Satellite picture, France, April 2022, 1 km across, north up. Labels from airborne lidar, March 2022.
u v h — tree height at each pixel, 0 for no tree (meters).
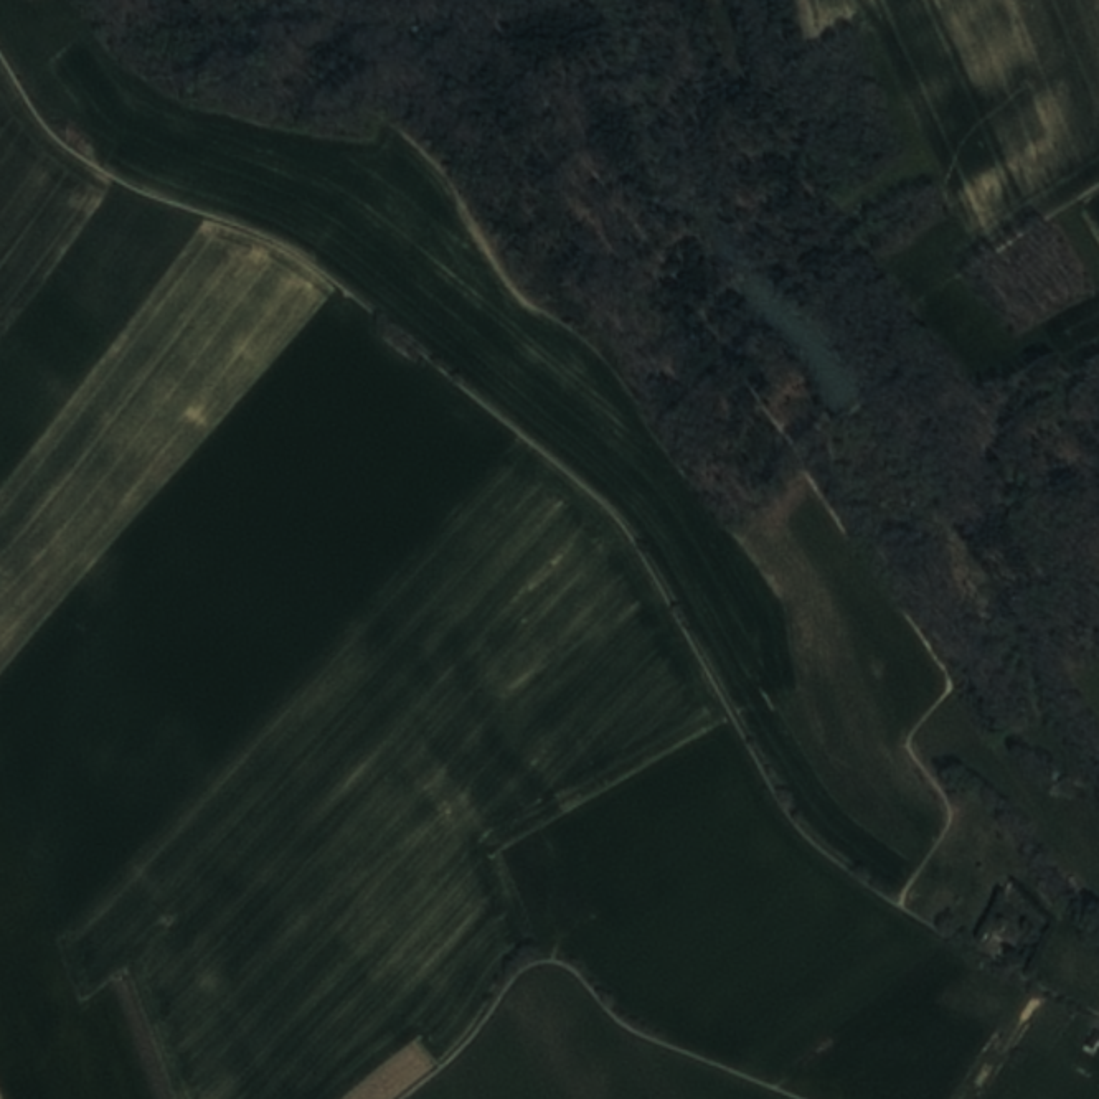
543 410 0
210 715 0
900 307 27
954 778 25
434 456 0
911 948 0
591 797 0
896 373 23
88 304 0
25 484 0
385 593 0
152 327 0
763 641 0
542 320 0
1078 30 0
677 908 0
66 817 0
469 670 0
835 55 23
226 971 0
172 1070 0
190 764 0
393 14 29
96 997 0
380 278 0
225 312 0
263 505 0
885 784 0
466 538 0
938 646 20
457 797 0
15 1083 0
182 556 0
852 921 0
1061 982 0
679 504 0
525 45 24
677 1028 0
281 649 0
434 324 0
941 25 0
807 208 21
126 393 0
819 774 0
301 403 0
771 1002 0
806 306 26
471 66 34
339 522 0
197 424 0
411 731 0
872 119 26
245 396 0
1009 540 24
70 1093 0
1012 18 0
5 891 0
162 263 0
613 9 7
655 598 0
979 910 0
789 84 25
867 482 15
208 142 0
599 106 28
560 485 0
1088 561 27
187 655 0
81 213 0
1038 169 0
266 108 33
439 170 0
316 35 36
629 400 0
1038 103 0
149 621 0
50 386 0
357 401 0
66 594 0
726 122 24
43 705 0
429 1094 0
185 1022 0
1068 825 0
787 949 0
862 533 26
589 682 0
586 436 0
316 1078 0
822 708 0
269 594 0
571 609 0
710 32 16
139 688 0
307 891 0
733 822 0
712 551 0
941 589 35
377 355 0
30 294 0
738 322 29
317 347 0
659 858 0
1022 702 28
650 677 0
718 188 30
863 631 0
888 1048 0
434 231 0
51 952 0
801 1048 0
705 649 0
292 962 0
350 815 0
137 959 0
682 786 0
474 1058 0
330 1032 0
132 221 0
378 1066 0
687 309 8
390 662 0
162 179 0
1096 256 0
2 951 0
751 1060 0
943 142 0
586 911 0
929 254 0
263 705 0
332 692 0
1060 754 0
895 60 0
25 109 0
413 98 28
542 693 0
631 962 0
